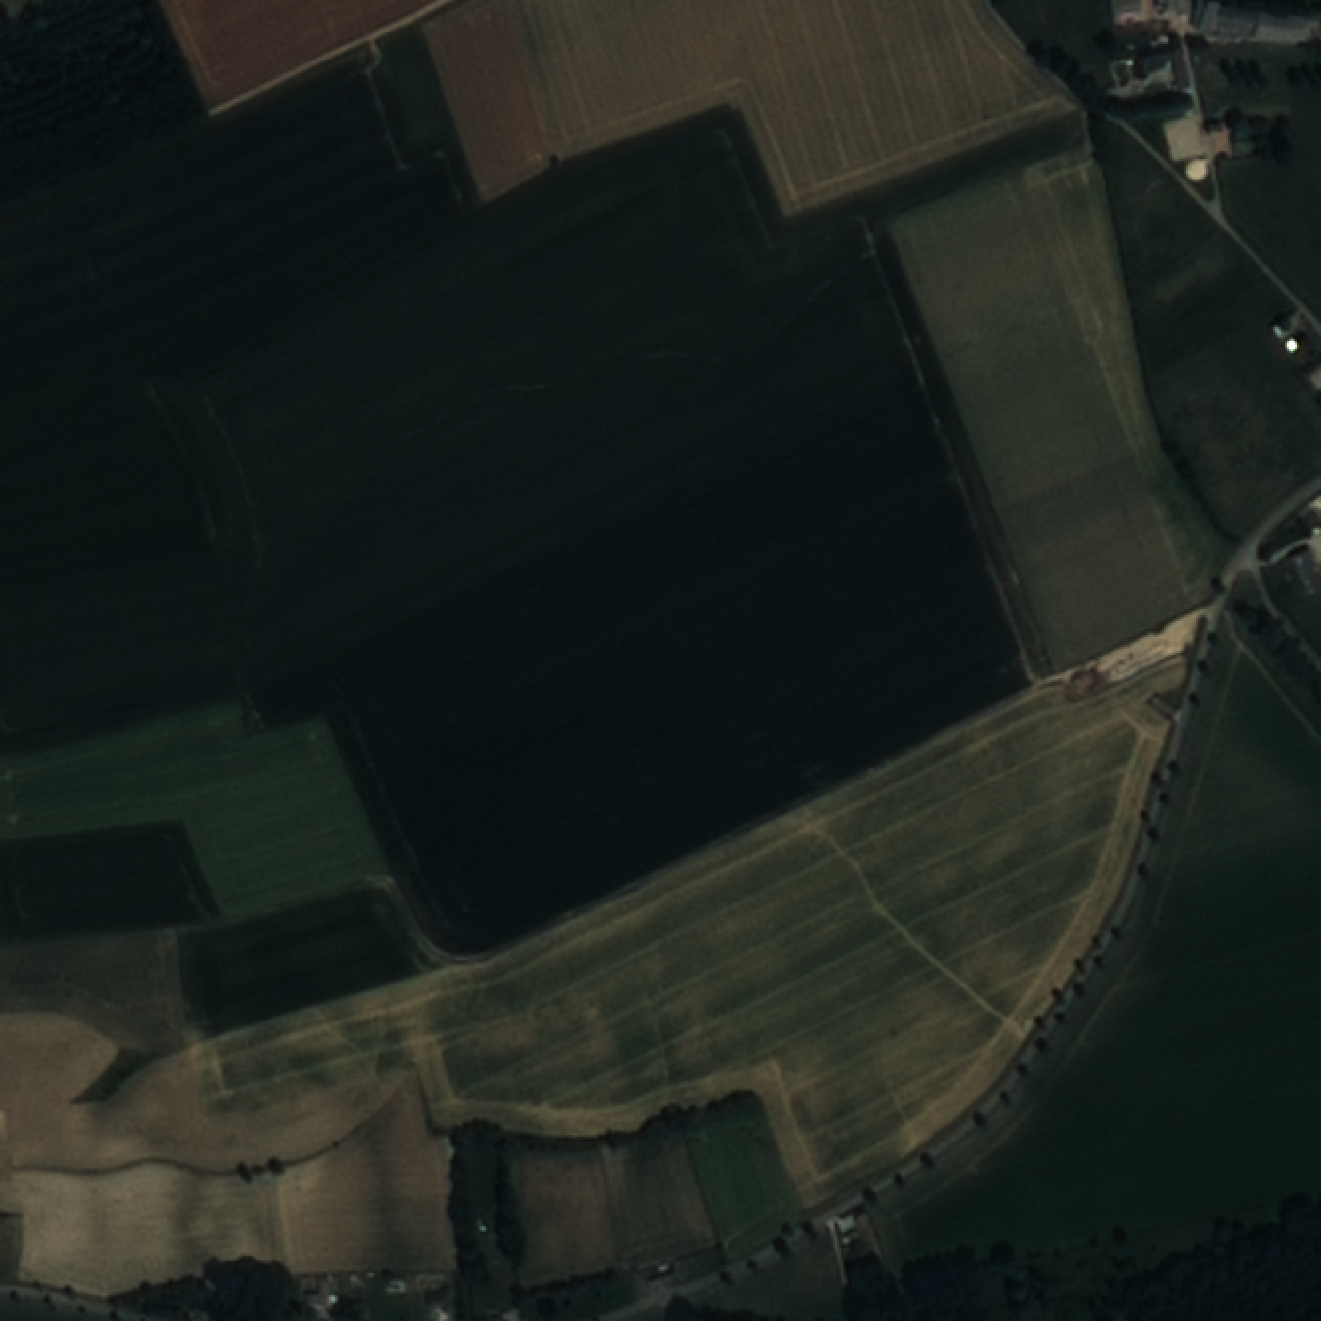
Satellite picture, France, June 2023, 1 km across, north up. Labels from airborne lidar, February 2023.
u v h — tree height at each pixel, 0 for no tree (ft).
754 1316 0
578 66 0
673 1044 0
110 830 0
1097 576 0
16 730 0
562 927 0
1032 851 0
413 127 0
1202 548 0
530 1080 0
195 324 0
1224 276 0
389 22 0
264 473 0
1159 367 0
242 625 0
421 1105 0
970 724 0
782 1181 0
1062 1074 0
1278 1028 0
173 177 0
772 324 0
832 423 0
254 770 0
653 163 0
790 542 0
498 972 0
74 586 0
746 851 0
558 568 0
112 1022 0
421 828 0
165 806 0
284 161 0
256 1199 0
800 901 0
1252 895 0
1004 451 0
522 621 0
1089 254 0
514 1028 0
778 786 0
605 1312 0
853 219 0
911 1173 0
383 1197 0
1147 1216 0
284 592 0
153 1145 0
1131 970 0
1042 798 0
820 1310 0
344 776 0
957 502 0
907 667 0
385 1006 0
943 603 0
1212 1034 0
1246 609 47
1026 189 0
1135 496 0
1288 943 0
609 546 0
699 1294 0
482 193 0
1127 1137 0
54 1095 0
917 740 0
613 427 0
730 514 0
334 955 0
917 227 0
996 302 0
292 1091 0
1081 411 0
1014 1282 92
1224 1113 0
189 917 0
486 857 0
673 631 0
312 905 0
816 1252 0
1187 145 0
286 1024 0
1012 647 0
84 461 0
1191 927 0
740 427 0
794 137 0
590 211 0
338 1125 0
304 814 0
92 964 0
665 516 0
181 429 0
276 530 0
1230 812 0
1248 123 45
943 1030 0
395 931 0
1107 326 0
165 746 0
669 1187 0
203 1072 0
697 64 0
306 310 0
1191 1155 0
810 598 0
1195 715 0
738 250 0
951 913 0
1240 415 0
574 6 0
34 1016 0
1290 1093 0
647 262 0
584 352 0
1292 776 0
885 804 0
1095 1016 0
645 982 0
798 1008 0
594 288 0
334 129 0
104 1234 0
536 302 0
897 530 0
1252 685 0
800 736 0
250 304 0
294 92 0
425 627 0
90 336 0
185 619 0
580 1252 0
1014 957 0
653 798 0
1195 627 0
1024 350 0
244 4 0
